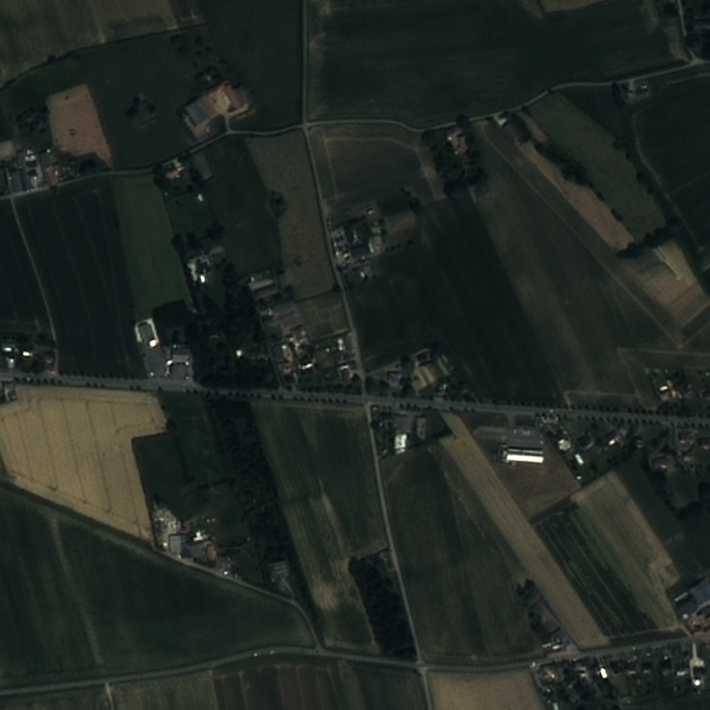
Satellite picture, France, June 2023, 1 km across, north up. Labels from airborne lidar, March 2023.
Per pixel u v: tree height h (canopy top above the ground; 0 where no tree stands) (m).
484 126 0
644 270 0
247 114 0
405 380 6
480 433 0
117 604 0
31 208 0
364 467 0
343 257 0
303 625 0
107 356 0
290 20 0
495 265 0
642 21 0
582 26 0
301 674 0
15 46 0
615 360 0
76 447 0
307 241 0
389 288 0
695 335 0
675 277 0
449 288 0
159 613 0
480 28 0
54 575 0
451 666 0
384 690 0
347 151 0
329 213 0
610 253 0
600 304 0
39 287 0
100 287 0
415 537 0
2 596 0
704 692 0
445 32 0
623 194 0
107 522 0
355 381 12
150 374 0
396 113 0
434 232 0
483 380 0
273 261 0
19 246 0
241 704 0
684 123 0
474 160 10
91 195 0
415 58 0
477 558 0
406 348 0
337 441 0
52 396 0
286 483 0
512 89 0
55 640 0
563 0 0
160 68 0
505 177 0
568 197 0
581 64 0
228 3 0
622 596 0
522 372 0
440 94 0
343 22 0
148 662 0
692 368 0
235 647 0
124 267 0
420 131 0
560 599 0
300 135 0
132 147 0
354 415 0
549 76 0
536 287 0
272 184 0
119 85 0
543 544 0
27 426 0
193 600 0
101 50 0
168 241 0
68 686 0
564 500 0
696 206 0
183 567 0
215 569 0
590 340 0
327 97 0
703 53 15
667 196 0
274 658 0
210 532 0
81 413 0
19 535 0
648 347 0
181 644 0
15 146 0
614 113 0
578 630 0
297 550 0
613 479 0
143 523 0
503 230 0
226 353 8
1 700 0
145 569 0
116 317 0
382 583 10
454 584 0
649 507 0
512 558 0
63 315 0
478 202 0
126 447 0
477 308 0
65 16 0
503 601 0
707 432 0
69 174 0
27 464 0
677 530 0
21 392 0
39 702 0
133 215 0
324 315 0
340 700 0
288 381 11
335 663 0
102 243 0
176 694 0
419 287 0
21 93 0
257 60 0
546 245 0
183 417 0
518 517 0
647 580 0
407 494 0
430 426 0
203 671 0
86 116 0
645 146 0
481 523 0
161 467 0
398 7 0
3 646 0
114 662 0
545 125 0
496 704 0
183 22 0
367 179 0
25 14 0
